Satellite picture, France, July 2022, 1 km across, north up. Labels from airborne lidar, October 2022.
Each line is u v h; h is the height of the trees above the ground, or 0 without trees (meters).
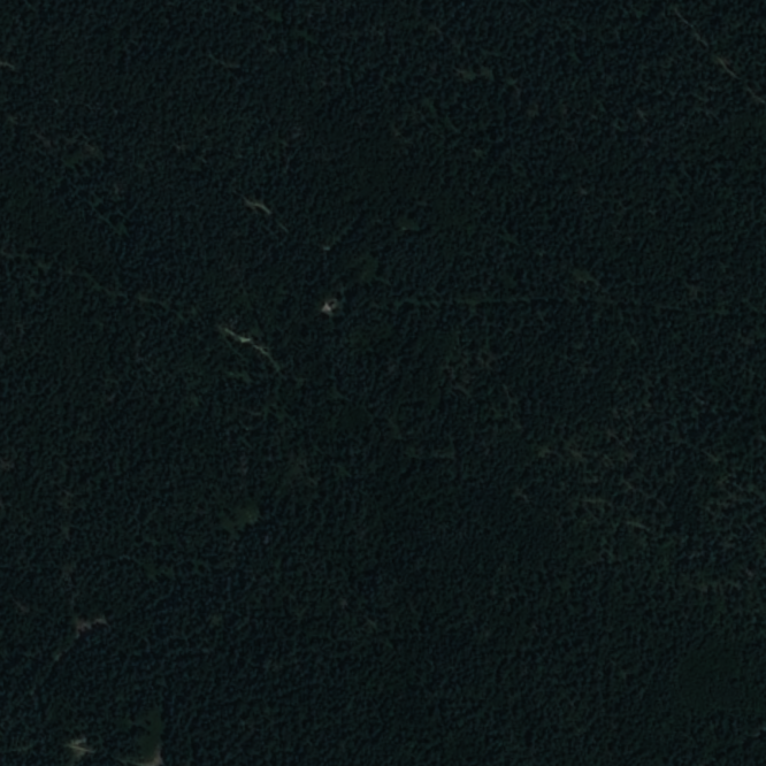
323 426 7
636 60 18
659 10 22
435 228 19
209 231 22
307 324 8
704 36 16
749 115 22
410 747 21
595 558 7
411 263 18
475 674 14
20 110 21
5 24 17
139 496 13
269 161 16
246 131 17
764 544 13
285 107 17
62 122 19
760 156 15
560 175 21
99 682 20
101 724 12
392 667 11
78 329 17
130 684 19
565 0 28
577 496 23
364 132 25
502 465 23
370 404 22
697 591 7
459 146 6
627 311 28
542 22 32
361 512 22
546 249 24
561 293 23
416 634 17
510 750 9
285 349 6
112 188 26
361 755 23
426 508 16
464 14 32
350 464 21
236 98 22
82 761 7
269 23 25
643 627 17
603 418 22
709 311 24
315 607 22
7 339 20
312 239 28
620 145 22
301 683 25
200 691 13
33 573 6
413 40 25
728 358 28
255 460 8
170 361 8
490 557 16
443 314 19
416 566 25
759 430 15
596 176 15
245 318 17
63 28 20
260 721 24
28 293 19
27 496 11
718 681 12
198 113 22
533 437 8
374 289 22
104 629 24
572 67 27
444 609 6
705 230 21
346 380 31
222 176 16
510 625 12
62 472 21
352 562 14
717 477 7
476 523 9
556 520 22
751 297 8
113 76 23
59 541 24
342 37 24
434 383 26
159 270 22
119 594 7
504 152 33
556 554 14
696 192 19
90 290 18
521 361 18
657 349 16
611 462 9
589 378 19
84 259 14
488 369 9
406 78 18
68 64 14
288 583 24
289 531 17
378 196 20
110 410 9
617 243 9
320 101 22
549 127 24
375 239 24
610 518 6
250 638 12
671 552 7
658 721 11
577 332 21
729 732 15
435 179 26
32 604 23
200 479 18
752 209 19
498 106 25
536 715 17
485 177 25
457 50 21
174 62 28
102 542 13
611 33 31
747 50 20
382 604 28
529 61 32
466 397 32
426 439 9
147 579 13
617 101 19
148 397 10
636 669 22
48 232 16
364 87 25
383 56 22
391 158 16
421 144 24
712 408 21
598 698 21
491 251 24
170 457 14
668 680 21
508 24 26
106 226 27
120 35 12
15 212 19
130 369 6
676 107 29
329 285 27
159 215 26
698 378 22
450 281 10
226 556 17
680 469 13
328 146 27
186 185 23
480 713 24
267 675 22
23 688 14
